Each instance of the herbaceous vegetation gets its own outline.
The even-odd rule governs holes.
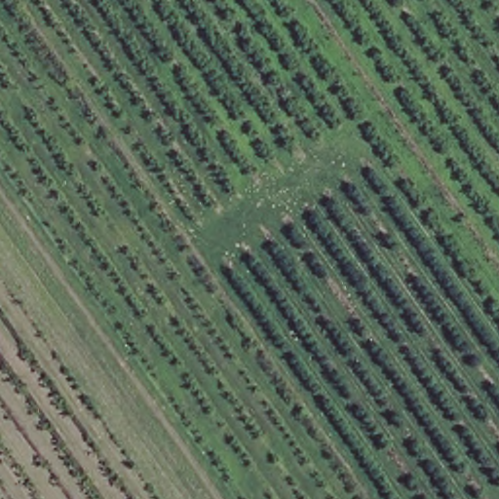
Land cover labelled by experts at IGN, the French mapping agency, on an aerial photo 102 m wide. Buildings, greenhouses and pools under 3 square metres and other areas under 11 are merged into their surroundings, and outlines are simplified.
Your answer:
[[[456,115],[458,127],[468,134],[468,142],[470,146],[474,146],[474,154],[483,158],[491,172],[499,177],[499,156],[478,133],[466,109],[454,99],[450,88],[439,74],[439,68],[448,66],[448,74],[458,80],[462,94],[468,96],[476,109],[480,109],[481,121],[499,142],[499,0],[460,0],[464,4],[464,10],[472,12],[474,25],[489,41],[489,47],[481,47],[470,37],[470,31],[466,31],[466,27],[460,23],[458,14],[444,0],[370,0],[374,8],[380,12],[380,16],[388,21],[392,35],[402,37],[400,47],[405,49],[407,57],[417,62],[419,72],[427,76],[427,82],[441,99],[442,105],[452,115]],[[444,29],[454,29],[458,33],[458,41],[464,53],[468,55],[468,62],[458,60],[452,53],[452,45],[437,35],[437,29],[429,19],[431,12],[441,14]],[[415,45],[413,35],[403,25],[400,19],[402,14],[409,14],[413,18],[423,37],[442,53],[442,58],[437,58],[435,62],[425,58],[421,49]]]
[[[265,123],[261,123],[261,119],[257,117],[257,113],[246,103],[234,82],[228,80],[220,62],[199,39],[195,25],[185,18],[185,12],[177,6],[175,0],[129,0],[131,6],[138,4],[142,8],[142,14],[138,14],[138,19],[140,23],[146,23],[146,31],[156,33],[158,45],[150,49],[134,29],[127,14],[115,4],[115,0],[99,0],[107,14],[117,23],[119,31],[129,41],[134,55],[142,60],[146,72],[138,76],[131,60],[123,55],[121,45],[113,39],[113,35],[109,35],[107,25],[86,0],[70,0],[72,6],[76,6],[80,18],[84,18],[88,23],[101,49],[105,49],[107,57],[121,70],[121,74],[115,74],[111,78],[94,53],[94,49],[84,39],[80,27],[74,25],[72,18],[68,18],[66,12],[60,8],[60,0],[41,0],[43,8],[49,12],[49,16],[68,39],[68,45],[62,45],[57,35],[43,23],[41,14],[29,0],[16,0],[16,10],[23,16],[23,21],[31,25],[37,37],[51,49],[53,57],[57,58],[66,70],[68,82],[62,86],[57,86],[49,78],[45,64],[35,58],[35,53],[27,45],[18,25],[0,4],[0,29],[8,35],[10,43],[16,45],[19,55],[25,60],[25,66],[19,66],[16,58],[10,55],[10,51],[0,41],[0,370],[10,365],[25,382],[25,388],[16,394],[14,386],[6,382],[6,376],[0,372],[0,439],[12,450],[16,460],[27,472],[27,480],[21,483],[14,474],[14,468],[10,468],[8,464],[0,464],[0,499],[88,499],[80,491],[76,478],[68,474],[66,466],[62,464],[53,448],[51,437],[57,433],[68,446],[70,454],[76,458],[76,462],[80,462],[88,478],[94,481],[103,499],[380,499],[374,485],[366,480],[363,470],[353,460],[353,454],[339,441],[339,437],[327,423],[324,413],[318,409],[326,402],[333,409],[335,417],[341,421],[347,435],[357,444],[357,448],[361,448],[366,462],[376,470],[376,474],[384,481],[384,487],[394,499],[439,499],[437,489],[429,483],[427,476],[419,468],[421,460],[429,460],[439,470],[439,476],[444,480],[446,491],[452,495],[452,499],[499,499],[499,368],[489,359],[487,351],[464,324],[454,304],[444,296],[429,269],[417,257],[415,249],[407,244],[398,226],[390,220],[386,212],[382,211],[380,201],[384,197],[394,199],[394,205],[405,218],[405,222],[413,228],[417,236],[421,236],[423,246],[431,249],[435,263],[448,277],[448,283],[462,294],[462,300],[470,306],[478,324],[485,329],[485,335],[499,349],[499,195],[495,195],[489,189],[489,185],[481,179],[480,173],[472,168],[468,156],[460,150],[450,129],[439,121],[435,107],[423,97],[421,88],[411,80],[402,60],[394,57],[394,53],[386,47],[382,35],[378,33],[378,27],[368,18],[368,14],[357,0],[337,0],[351,21],[361,27],[349,33],[343,27],[343,21],[327,6],[326,0],[253,0],[265,12],[265,21],[273,25],[277,41],[283,43],[288,58],[294,58],[300,64],[302,72],[294,78],[279,64],[277,55],[259,35],[265,21],[251,25],[251,19],[234,0],[193,0],[203,27],[212,25],[226,41],[230,49],[232,68],[242,66],[242,80],[251,82],[259,96],[267,99],[269,111],[281,123],[269,131]],[[216,97],[211,96],[199,70],[191,66],[189,58],[181,53],[181,49],[173,41],[168,25],[154,14],[160,8],[164,8],[166,14],[172,12],[177,18],[177,29],[181,37],[187,41],[187,45],[193,49],[197,58],[207,66],[207,70],[212,72],[218,90],[232,101],[236,119],[228,119],[224,107],[216,101]],[[312,39],[312,43],[320,49],[320,55],[326,58],[327,64],[339,72],[339,84],[327,86],[324,80],[318,78],[316,70],[310,64],[310,58],[302,55],[298,47],[294,47],[285,27],[285,23],[294,19],[304,27],[306,37]],[[248,43],[255,45],[257,58],[263,62],[267,70],[261,78],[249,64],[248,58],[242,55],[242,49]],[[372,57],[376,53],[380,53],[382,64],[392,74],[390,82],[384,82],[374,70]],[[173,74],[179,70],[183,72],[191,94],[199,97],[201,105],[214,113],[212,123],[199,121],[195,117],[193,107],[183,99],[183,94],[179,92],[173,80]],[[185,125],[179,127],[172,117],[164,115],[164,107],[146,86],[146,82],[152,76],[158,80],[160,88],[172,101],[173,107],[181,111]],[[304,76],[314,84],[316,101],[320,101],[322,105],[329,105],[333,113],[333,129],[327,129],[326,123],[318,117],[310,101],[304,97],[304,92],[298,88],[300,84],[304,84]],[[337,97],[333,96],[339,92],[341,86],[345,88],[347,96],[353,99],[353,119],[347,119]],[[417,131],[413,123],[409,123],[409,117],[403,113],[402,105],[394,96],[396,88],[403,88],[413,107],[425,113],[427,129],[439,138],[442,148],[450,154],[450,160],[446,160],[441,152],[435,152],[427,138]],[[66,92],[70,90],[78,90],[80,94],[84,94],[92,115],[96,117],[94,123],[88,125],[82,111],[68,99]],[[96,96],[101,92],[109,94],[111,103],[117,107],[121,117],[111,117],[107,109],[97,103]],[[290,105],[290,109],[296,111],[300,117],[306,117],[310,127],[308,133],[300,133],[294,119],[285,115],[283,107],[287,105]],[[361,138],[359,125],[365,121],[370,123],[370,133],[376,134],[390,148],[390,168],[384,168],[380,164],[380,160],[372,154],[368,142]],[[232,164],[228,156],[222,152],[218,142],[224,140],[226,134],[234,140],[238,156],[244,156],[248,166],[255,168],[255,173],[242,175],[238,166]],[[203,207],[193,195],[193,187],[173,168],[170,158],[175,154],[179,156],[183,166],[193,172],[212,207]],[[230,193],[222,193],[220,187],[212,181],[209,173],[209,166],[212,164],[216,164],[226,173]],[[411,193],[419,201],[413,209],[409,207],[400,191],[400,187],[405,185],[405,179],[413,181]],[[96,205],[97,216],[92,216],[86,203],[78,197],[76,185],[86,185],[86,191],[88,195],[92,195],[92,201]],[[345,199],[343,193],[351,187],[365,205],[366,214],[357,214],[353,211],[353,205]],[[481,203],[489,205],[493,216],[483,220],[480,214],[476,214],[470,207],[466,193],[470,193],[472,189],[480,195]],[[133,224],[127,222],[127,216],[123,216],[119,207],[121,201],[129,203],[129,209],[144,226],[142,232],[136,232]],[[347,238],[327,218],[324,207],[331,201],[343,222],[359,236],[359,242],[365,244],[374,263],[380,265],[382,277],[390,279],[394,290],[402,296],[403,302],[398,308],[392,306],[382,288],[370,277],[365,263],[357,257],[355,249],[349,246]],[[96,244],[97,251],[105,257],[105,263],[97,265],[92,259],[90,249],[78,240],[76,230],[72,230],[68,222],[62,220],[60,214],[66,211],[72,211],[74,220],[84,228],[86,236]],[[322,248],[322,244],[306,226],[302,218],[304,211],[314,212],[318,226],[331,238],[333,246],[341,251],[341,255],[351,263],[353,273],[359,279],[353,287],[347,285],[333,259],[327,255],[326,249]],[[292,224],[294,234],[302,240],[300,248],[292,248],[288,244],[287,238],[283,236],[285,224]],[[150,248],[140,240],[140,234],[144,232],[150,234],[156,248],[162,251],[164,263],[158,263],[156,255],[152,255]],[[442,253],[441,244],[444,242],[448,242],[458,251],[458,259],[462,261],[464,271],[474,269],[478,281],[468,285],[464,279],[456,275],[450,259]],[[302,287],[298,292],[288,287],[285,277],[269,259],[267,249],[273,248],[283,255],[288,269],[296,273],[296,279]],[[302,261],[304,253],[314,253],[314,259],[316,263],[320,263],[326,277],[318,279],[308,271],[308,267]],[[201,281],[193,275],[187,263],[191,257],[195,257],[203,265],[203,271],[212,283],[212,292],[207,292]],[[320,355],[326,357],[329,368],[337,372],[337,378],[349,390],[347,398],[339,398],[339,394],[327,384],[320,368],[302,349],[300,341],[288,329],[287,322],[281,318],[275,304],[271,304],[265,290],[255,283],[255,279],[244,265],[251,257],[255,265],[263,271],[263,275],[271,281],[273,288],[279,292],[279,296],[285,300],[294,320],[302,326],[302,331],[310,335],[310,341],[316,345]],[[226,279],[232,275],[246,288],[253,304],[261,310],[273,331],[285,343],[283,347],[275,349],[265,339],[263,331],[255,326],[253,318],[249,316],[240,298],[226,283]],[[448,326],[452,327],[458,339],[454,351],[444,341],[441,327],[431,320],[423,304],[417,300],[415,292],[405,283],[407,275],[415,275],[419,283],[427,288],[427,292],[431,292],[433,302],[439,306],[441,314],[444,314]],[[384,329],[378,326],[378,322],[361,304],[361,298],[357,294],[363,290],[370,294],[378,310],[394,326],[396,333],[400,335],[398,341],[390,341]],[[405,326],[402,314],[407,310],[415,314],[415,320],[423,327],[421,335],[409,331]],[[248,349],[242,349],[240,337],[226,324],[232,318],[244,327],[249,337]],[[339,333],[341,341],[347,347],[351,347],[351,351],[343,357],[335,353],[326,333],[320,326],[316,326],[316,318],[326,318],[331,327]],[[154,326],[156,335],[168,347],[170,353],[166,357],[160,355],[158,347],[148,337],[146,326]],[[191,351],[185,347],[183,339],[187,337],[193,339],[201,355],[207,359],[209,368],[203,370],[203,366],[195,361]],[[18,357],[16,341],[19,339],[23,339],[25,347],[33,351],[39,363],[33,370]],[[402,353],[398,349],[405,345],[411,349],[411,355],[417,359],[421,370],[431,380],[435,390],[441,392],[442,400],[454,413],[454,419],[446,421],[442,417],[441,411],[431,403],[427,392],[417,382],[411,368],[403,361]],[[442,441],[448,444],[460,472],[448,470],[437,448],[429,442],[423,429],[405,409],[405,403],[392,388],[392,382],[386,380],[378,366],[372,365],[372,361],[366,355],[366,351],[372,347],[380,351],[380,357],[402,378],[411,398],[421,407],[421,413],[431,421],[433,429],[441,435]],[[466,386],[464,392],[456,392],[452,384],[439,372],[439,368],[431,359],[433,349],[441,351],[442,359],[450,365],[450,370],[456,374],[456,378]],[[263,351],[265,361],[269,361],[275,374],[285,382],[285,390],[290,396],[287,402],[283,402],[277,396],[273,384],[255,363],[257,351]],[[316,386],[314,390],[306,392],[292,376],[287,366],[288,361],[292,359],[296,359],[296,363],[306,372],[310,382]],[[365,386],[347,366],[351,361],[357,361],[363,366],[374,388],[386,400],[384,405],[372,402]],[[209,413],[201,413],[199,405],[193,402],[193,396],[181,388],[183,372],[189,374],[191,386],[209,405]],[[41,386],[41,380],[47,376],[53,378],[58,392],[72,409],[66,417],[51,403],[49,390]],[[462,402],[462,398],[468,396],[485,411],[485,421],[474,419],[474,415],[466,409],[466,403]],[[234,411],[236,407],[242,407],[244,415],[248,417],[249,425],[253,425],[253,429],[257,431],[257,437],[259,437],[259,439],[251,439],[251,437],[249,437],[248,431],[246,431],[246,427],[242,427],[242,423],[240,423],[240,421],[238,421],[238,417],[236,417],[236,411]],[[382,437],[382,448],[374,448],[372,442],[368,441],[365,431],[353,419],[353,415],[359,409],[363,409],[366,419],[376,429],[376,435]],[[476,448],[480,448],[481,456],[476,462],[468,456],[466,446],[458,439],[458,435],[464,431],[468,431]],[[232,441],[236,442],[240,450],[248,456],[248,468],[242,468],[236,454],[226,446],[226,435],[230,435]]]

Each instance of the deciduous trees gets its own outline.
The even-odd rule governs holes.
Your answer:
[[[27,45],[35,53],[35,58],[45,64],[49,78],[57,86],[62,86],[68,82],[66,70],[57,58],[53,57],[51,49],[37,37],[31,25],[23,21],[23,16],[16,10],[16,0],[0,0],[0,4],[18,25]]]
[[[21,483],[27,480],[27,472],[16,460],[12,450],[0,439],[0,464],[8,464],[10,468],[14,468],[14,474]]]
[[[458,33],[454,29],[444,29],[441,14],[431,12],[429,19],[437,29],[437,35],[452,45],[452,53],[458,60],[468,62],[468,55],[464,53],[458,41]]]
[[[361,298],[361,304],[378,322],[378,326],[384,329],[390,341],[398,341],[400,335],[396,333],[394,326],[378,310],[370,294],[363,290],[357,294]]]
[[[263,331],[265,339],[275,349],[283,347],[285,343],[273,331],[261,310],[253,304],[246,288],[232,275],[226,279],[226,283],[240,298],[249,316],[253,318],[255,326]]]
[[[337,97],[347,119],[353,119],[353,99],[347,96],[345,88],[341,86],[339,92],[333,96]]]
[[[339,72],[327,64],[326,58],[320,55],[320,49],[312,43],[312,39],[306,37],[304,27],[294,19],[285,23],[285,27],[294,47],[298,47],[302,55],[310,58],[310,64],[316,70],[318,78],[324,80],[327,86],[339,84]]]
[[[68,45],[68,39],[49,16],[49,12],[43,8],[41,0],[29,0],[41,14],[43,23],[57,35],[62,45]]]
[[[209,413],[209,405],[191,386],[189,374],[183,372],[181,388],[193,396],[193,402],[199,405],[201,413]]]
[[[442,441],[441,435],[433,429],[431,421],[421,413],[421,407],[411,398],[402,378],[380,357],[380,351],[372,347],[366,351],[366,355],[372,361],[372,365],[378,366],[386,380],[392,382],[392,388],[405,403],[405,409],[423,429],[429,442],[437,448],[448,470],[460,472],[448,444]]]
[[[47,376],[41,380],[41,386],[49,390],[51,403],[66,417],[72,409],[58,392],[53,378]]]
[[[53,448],[62,464],[66,466],[68,474],[76,478],[80,491],[88,499],[103,499],[94,481],[88,478],[80,462],[76,462],[76,458],[70,454],[68,446],[57,433],[51,437]]]
[[[421,460],[419,468],[427,476],[429,483],[437,489],[439,499],[452,499],[452,495],[446,491],[444,480],[439,476],[439,470],[429,460]]]
[[[339,441],[353,454],[353,460],[363,470],[366,480],[374,485],[380,499],[394,499],[384,487],[384,481],[376,474],[376,470],[366,462],[361,448],[357,448],[357,444],[347,435],[341,421],[335,417],[333,409],[326,402],[318,409],[324,413],[327,423],[339,437]]]
[[[142,232],[144,226],[129,209],[129,203],[121,201],[119,207],[123,216],[127,216],[127,222],[133,224],[136,232]]]
[[[466,386],[456,378],[456,374],[450,370],[450,365],[442,359],[441,351],[433,349],[431,359],[439,368],[439,372],[452,384],[456,392],[464,392]]]
[[[127,14],[134,29],[150,49],[158,45],[156,33],[146,31],[146,23],[140,23],[138,19],[138,14],[142,14],[142,8],[138,4],[131,6],[129,0],[115,0],[115,4]]]
[[[117,107],[111,103],[109,94],[101,92],[96,96],[97,103],[107,109],[111,117],[121,117]]]
[[[357,214],[366,214],[365,205],[351,187],[343,193],[345,199],[353,205],[353,211]]]
[[[121,45],[123,55],[131,60],[138,76],[146,72],[142,60],[134,55],[129,41],[119,31],[117,23],[107,14],[99,0],[86,0],[107,25],[109,35],[113,35],[113,39]]]
[[[306,117],[300,117],[296,111],[290,109],[290,105],[287,105],[283,107],[285,115],[294,119],[300,133],[308,133],[310,127]]]
[[[96,117],[92,115],[84,94],[80,94],[78,90],[70,90],[66,92],[68,99],[82,111],[88,125],[94,123]]]
[[[244,156],[238,156],[234,140],[226,134],[224,140],[218,142],[222,152],[228,156],[232,164],[238,166],[242,175],[255,173],[255,168],[248,166]]]
[[[158,347],[160,355],[166,357],[170,353],[168,347],[156,335],[154,326],[146,326],[148,337]]]
[[[333,129],[333,113],[329,105],[322,105],[320,101],[316,101],[314,84],[304,76],[304,84],[300,84],[298,88],[304,92],[304,97],[310,101],[318,117],[326,123],[327,129]]]
[[[166,14],[164,8],[160,8],[154,14],[168,25],[173,41],[181,49],[181,53],[189,58],[191,66],[199,70],[211,96],[216,97],[216,101],[224,107],[228,119],[236,119],[232,101],[218,90],[212,72],[207,70],[207,66],[197,58],[193,49],[187,45],[187,41],[181,37],[177,29],[177,18],[172,12]]]
[[[470,37],[481,47],[489,47],[489,41],[474,25],[472,12],[464,10],[464,4],[460,0],[444,0],[458,14],[460,23],[466,27],[466,31],[470,31]]]
[[[413,209],[419,201],[411,193],[413,181],[405,179],[405,185],[400,187],[400,191],[409,207]]]
[[[33,351],[25,347],[23,339],[19,339],[16,341],[18,357],[33,370],[39,363]]]
[[[458,251],[448,242],[444,242],[441,244],[442,253],[450,259],[456,275],[464,279],[468,285],[478,281],[474,269],[464,271],[462,261],[458,259]]]
[[[212,292],[212,283],[203,271],[203,265],[195,257],[191,257],[187,263],[193,275],[201,281],[207,292]]]
[[[351,351],[351,347],[347,347],[341,341],[339,333],[331,327],[326,318],[316,318],[316,326],[320,326],[326,333],[335,353],[343,357]]]
[[[485,329],[478,324],[470,306],[462,300],[462,294],[448,283],[448,277],[435,263],[431,249],[423,246],[421,236],[417,236],[413,228],[405,222],[405,218],[394,205],[394,199],[384,197],[380,201],[382,211],[386,212],[390,220],[398,226],[407,244],[415,249],[417,257],[429,269],[444,296],[454,304],[464,324],[487,351],[489,359],[499,368],[499,349],[485,335]]]
[[[413,107],[403,88],[396,88],[394,96],[402,105],[403,113],[409,117],[409,123],[413,123],[417,131],[427,138],[435,152],[441,152],[446,160],[450,160],[450,154],[442,148],[439,138],[427,129],[425,113]]]
[[[370,0],[357,0],[368,14],[368,18],[378,27],[378,33],[382,35],[386,47],[394,53],[394,57],[402,60],[411,80],[421,88],[423,97],[435,107],[439,121],[450,129],[460,150],[468,156],[472,168],[480,173],[481,179],[489,185],[489,189],[495,195],[499,195],[499,177],[491,172],[483,158],[474,154],[474,146],[470,146],[468,142],[468,134],[458,127],[456,115],[452,115],[442,105],[441,99],[427,82],[427,76],[419,72],[417,62],[407,57],[405,49],[400,47],[402,37],[392,35],[388,21],[380,16],[380,12],[374,8]]]
[[[232,318],[226,324],[240,337],[242,349],[248,349],[249,337],[244,327]]]
[[[183,94],[183,99],[193,107],[195,117],[199,121],[212,123],[214,113],[201,105],[199,97],[191,94],[183,72],[179,70],[173,74],[173,80],[179,92]]]
[[[201,355],[193,339],[187,337],[183,339],[185,347],[191,351],[195,361],[203,366],[203,370],[209,368],[207,359]]]
[[[448,74],[448,66],[439,68],[439,74],[450,88],[454,99],[466,109],[478,133],[499,156],[499,142],[481,121],[480,109],[476,109],[468,96],[462,94],[458,80]]]
[[[431,292],[427,292],[427,288],[419,283],[415,275],[407,275],[405,283],[415,292],[417,300],[423,304],[431,320],[441,327],[444,341],[454,351],[458,339],[452,327],[448,326],[444,314],[441,314],[439,306],[433,302]]]
[[[318,279],[326,277],[320,263],[316,263],[314,259],[314,253],[304,253],[302,261],[308,267],[308,271]]]
[[[212,181],[220,187],[222,193],[230,193],[226,173],[216,164],[212,164],[209,166],[209,173]]]
[[[285,224],[283,236],[287,238],[288,244],[292,248],[300,248],[302,240],[294,234],[292,224]]]
[[[234,411],[236,411],[236,417],[238,417],[238,421],[240,421],[240,423],[242,423],[242,427],[246,427],[246,431],[248,431],[249,437],[251,437],[251,439],[259,439],[259,437],[257,437],[257,431],[253,429],[253,425],[249,425],[248,417],[244,415],[242,407],[236,407]]]
[[[156,248],[150,234],[144,232],[140,234],[140,240],[150,248],[152,255],[156,255],[158,263],[164,263],[162,251]]]
[[[343,21],[343,27],[349,33],[361,27],[351,21],[337,0],[326,0],[327,6]]]
[[[493,216],[489,205],[481,203],[480,195],[472,189],[470,193],[466,193],[470,207],[476,214],[480,214],[483,220]]]
[[[287,366],[292,376],[306,392],[314,390],[316,386],[310,382],[306,372],[296,363],[296,359],[292,359],[288,361]]]
[[[203,207],[212,207],[193,172],[183,166],[179,156],[175,154],[170,158],[173,168],[193,187],[193,195]]]
[[[421,49],[425,58],[435,62],[437,58],[442,58],[442,53],[423,37],[413,18],[409,14],[402,14],[400,19],[403,25],[413,35],[415,45]]]
[[[261,78],[267,70],[263,62],[257,58],[255,45],[248,43],[242,49],[242,55],[248,58],[249,64]]]
[[[70,0],[60,0],[60,8],[66,12],[68,18],[72,18],[74,25],[80,27],[84,39],[94,49],[94,53],[111,78],[115,74],[121,74],[121,70],[107,57],[105,49],[101,49],[88,23],[84,18],[80,18],[76,6],[72,6]]]
[[[16,45],[10,43],[8,35],[0,29],[0,41],[10,51],[10,55],[16,58],[19,66],[25,66],[25,60],[19,55]]]
[[[294,58],[288,58],[283,43],[277,41],[273,25],[265,21],[259,35],[277,55],[279,64],[294,78],[302,72],[300,64]]]
[[[341,255],[341,251],[333,246],[331,238],[318,226],[314,212],[304,211],[302,218],[306,226],[322,244],[322,248],[326,249],[327,255],[333,259],[347,285],[353,287],[359,279],[353,273],[351,263]]]
[[[302,287],[296,279],[296,273],[288,269],[283,255],[273,248],[267,249],[269,259],[285,277],[288,287],[298,292]]]
[[[347,238],[349,246],[355,249],[357,257],[365,263],[370,277],[382,288],[392,306],[398,308],[403,302],[402,296],[394,290],[390,279],[382,277],[380,265],[374,263],[365,244],[359,242],[359,236],[343,222],[331,201],[324,207],[327,218]]]
[[[251,25],[265,21],[265,12],[253,0],[234,0],[251,19]]]
[[[372,442],[374,448],[382,448],[382,437],[376,435],[376,429],[366,419],[363,409],[359,409],[353,415],[353,419],[365,431],[368,441]]]
[[[458,435],[458,439],[466,446],[468,456],[476,462],[481,456],[480,448],[476,448],[468,431],[464,431]]]
[[[285,390],[285,382],[275,374],[269,361],[265,361],[263,351],[257,351],[255,363],[273,384],[277,396],[283,402],[287,402],[290,396]]]
[[[96,205],[92,201],[92,195],[88,195],[86,191],[86,185],[76,185],[78,197],[86,203],[92,216],[97,216]]]
[[[97,251],[96,244],[86,236],[84,228],[74,220],[72,211],[66,211],[60,214],[62,220],[68,222],[72,230],[76,230],[78,240],[90,249],[92,259],[97,265],[105,263],[105,257]]]
[[[172,117],[179,127],[185,125],[181,111],[173,107],[172,101],[160,88],[158,80],[152,76],[146,82],[146,86],[164,107],[164,115]]]
[[[6,376],[6,382],[14,386],[16,394],[25,388],[25,382],[10,365],[0,370],[0,372]]]
[[[246,103],[257,113],[257,117],[261,119],[261,123],[265,123],[269,131],[281,123],[269,111],[267,99],[259,96],[251,82],[242,80],[242,66],[232,68],[230,49],[226,41],[212,25],[203,27],[193,0],[175,0],[177,6],[185,12],[185,18],[195,25],[199,39],[220,62],[228,80],[234,82]]]
[[[405,345],[398,349],[402,353],[403,361],[411,368],[417,382],[427,392],[431,403],[441,411],[442,417],[446,421],[454,419],[454,413],[442,400],[441,392],[435,390],[431,380],[421,370],[417,359],[411,355],[411,349]]]
[[[380,160],[380,164],[384,168],[390,168],[390,148],[376,134],[370,133],[370,123],[365,121],[359,125],[361,138],[368,142],[372,154]]]
[[[376,53],[372,57],[374,70],[384,82],[390,82],[392,74],[382,64],[380,53]]]
[[[285,300],[279,296],[279,292],[273,288],[271,281],[263,275],[263,271],[255,265],[251,257],[244,265],[255,279],[255,283],[265,290],[271,304],[275,304],[281,318],[287,322],[288,329],[300,341],[302,349],[320,368],[327,384],[339,394],[339,398],[347,398],[349,390],[337,378],[337,372],[329,368],[326,357],[320,355],[316,345],[310,341],[310,335],[302,331],[302,326],[294,320]]]
[[[415,314],[407,310],[402,314],[405,326],[409,331],[421,335],[423,327],[415,320]]]
[[[232,441],[230,435],[226,435],[226,446],[236,454],[242,468],[248,468],[248,456],[240,450],[236,442]]]
[[[374,388],[363,366],[357,361],[351,361],[347,366],[365,386],[372,402],[384,405],[386,400]]]
[[[485,421],[485,411],[468,396],[462,398],[462,402],[466,403],[466,409],[474,415],[474,419]]]

